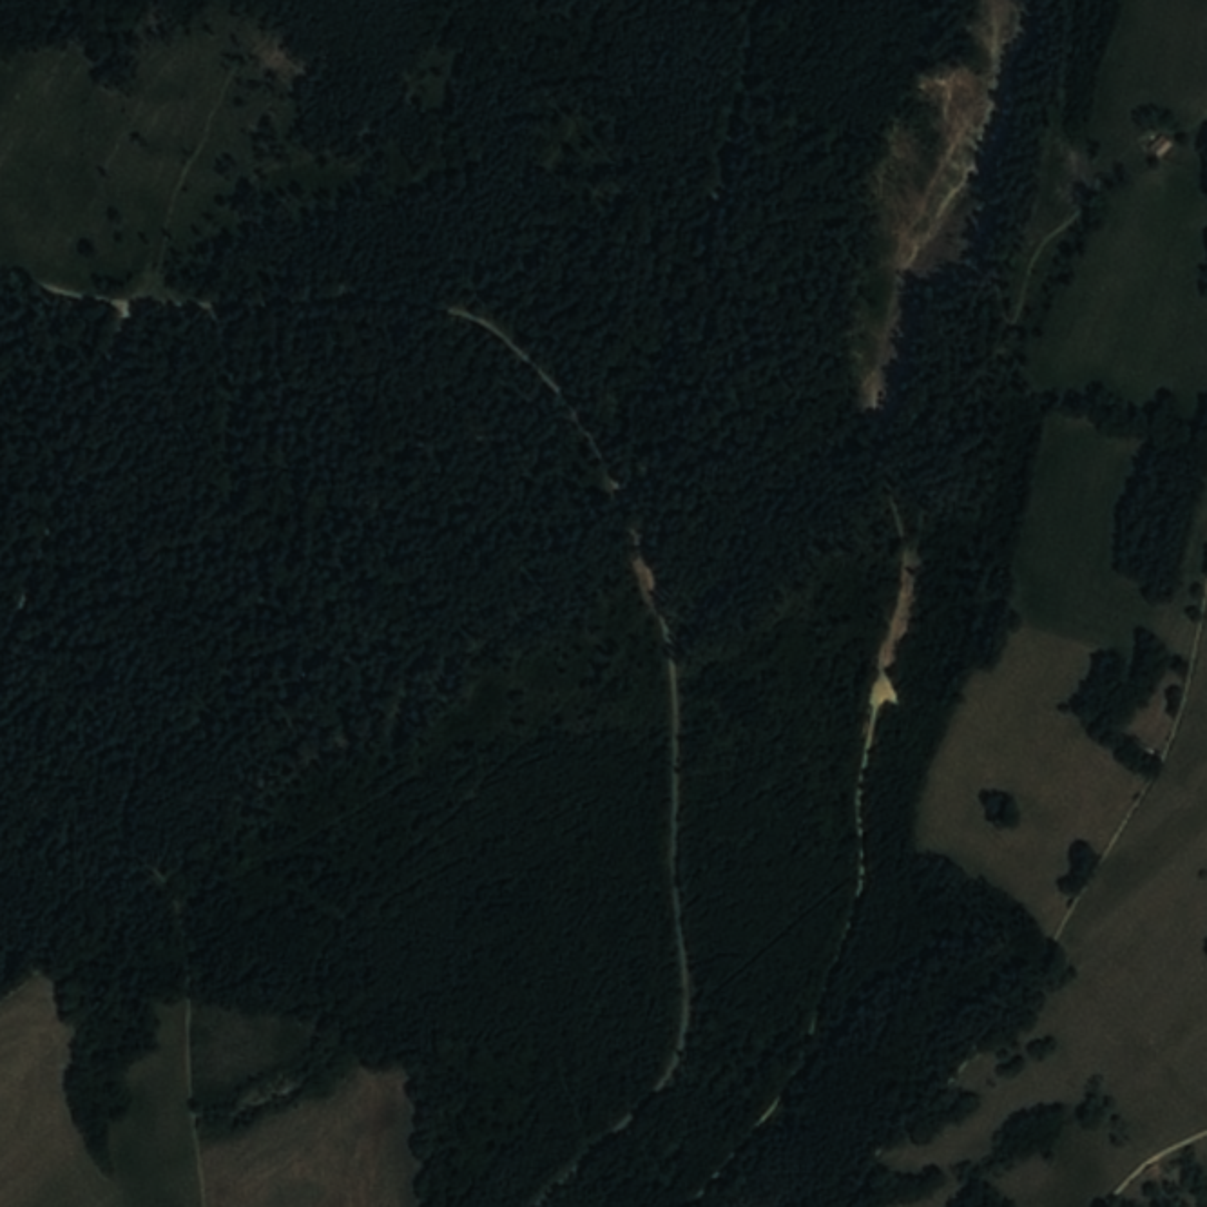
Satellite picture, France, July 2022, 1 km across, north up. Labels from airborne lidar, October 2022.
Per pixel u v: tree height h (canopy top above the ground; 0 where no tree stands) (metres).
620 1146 18
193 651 30
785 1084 9
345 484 30
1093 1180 0
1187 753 0
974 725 0
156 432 31
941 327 0
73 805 21
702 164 25
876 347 0
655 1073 15
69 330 24
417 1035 19
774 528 32
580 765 9
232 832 29
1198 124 0
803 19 23
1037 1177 0
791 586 32
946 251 0
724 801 10
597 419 17
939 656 7
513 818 10
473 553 33
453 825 10
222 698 23
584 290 27
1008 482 5
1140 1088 0
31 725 27
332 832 6
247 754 20
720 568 33
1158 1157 0
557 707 7
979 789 0
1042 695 0
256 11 13
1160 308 0
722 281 31
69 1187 0
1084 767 0
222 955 20
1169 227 0
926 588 14
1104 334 0
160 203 0
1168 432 27
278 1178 0
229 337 15
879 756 10
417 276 24
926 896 10
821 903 10
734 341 25
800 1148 24
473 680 35
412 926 12
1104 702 20
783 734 7
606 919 9
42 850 29
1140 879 0
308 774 15
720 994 10
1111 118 0
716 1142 15
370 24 17
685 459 26
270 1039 0
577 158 26
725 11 27
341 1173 0
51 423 28
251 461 27
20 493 33
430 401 26
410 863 10
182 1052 0
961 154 0
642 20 29
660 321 31
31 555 28
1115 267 0
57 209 0
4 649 14
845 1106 24
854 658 10
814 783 14
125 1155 0
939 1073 20
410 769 6
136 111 0
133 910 32
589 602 34
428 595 33
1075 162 0
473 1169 7
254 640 28
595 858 8
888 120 11
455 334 29
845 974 12
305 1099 9
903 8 19
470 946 13
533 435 31
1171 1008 0
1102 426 23
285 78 15
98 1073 23
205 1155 0
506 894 17
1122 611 0
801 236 27
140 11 13
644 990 11
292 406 30
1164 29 0
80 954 22
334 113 23
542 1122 14
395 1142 0
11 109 0
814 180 28
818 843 7
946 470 6
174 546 24
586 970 12
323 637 30
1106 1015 0
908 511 7
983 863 0
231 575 28
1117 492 0
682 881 9
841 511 31
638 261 34
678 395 37
